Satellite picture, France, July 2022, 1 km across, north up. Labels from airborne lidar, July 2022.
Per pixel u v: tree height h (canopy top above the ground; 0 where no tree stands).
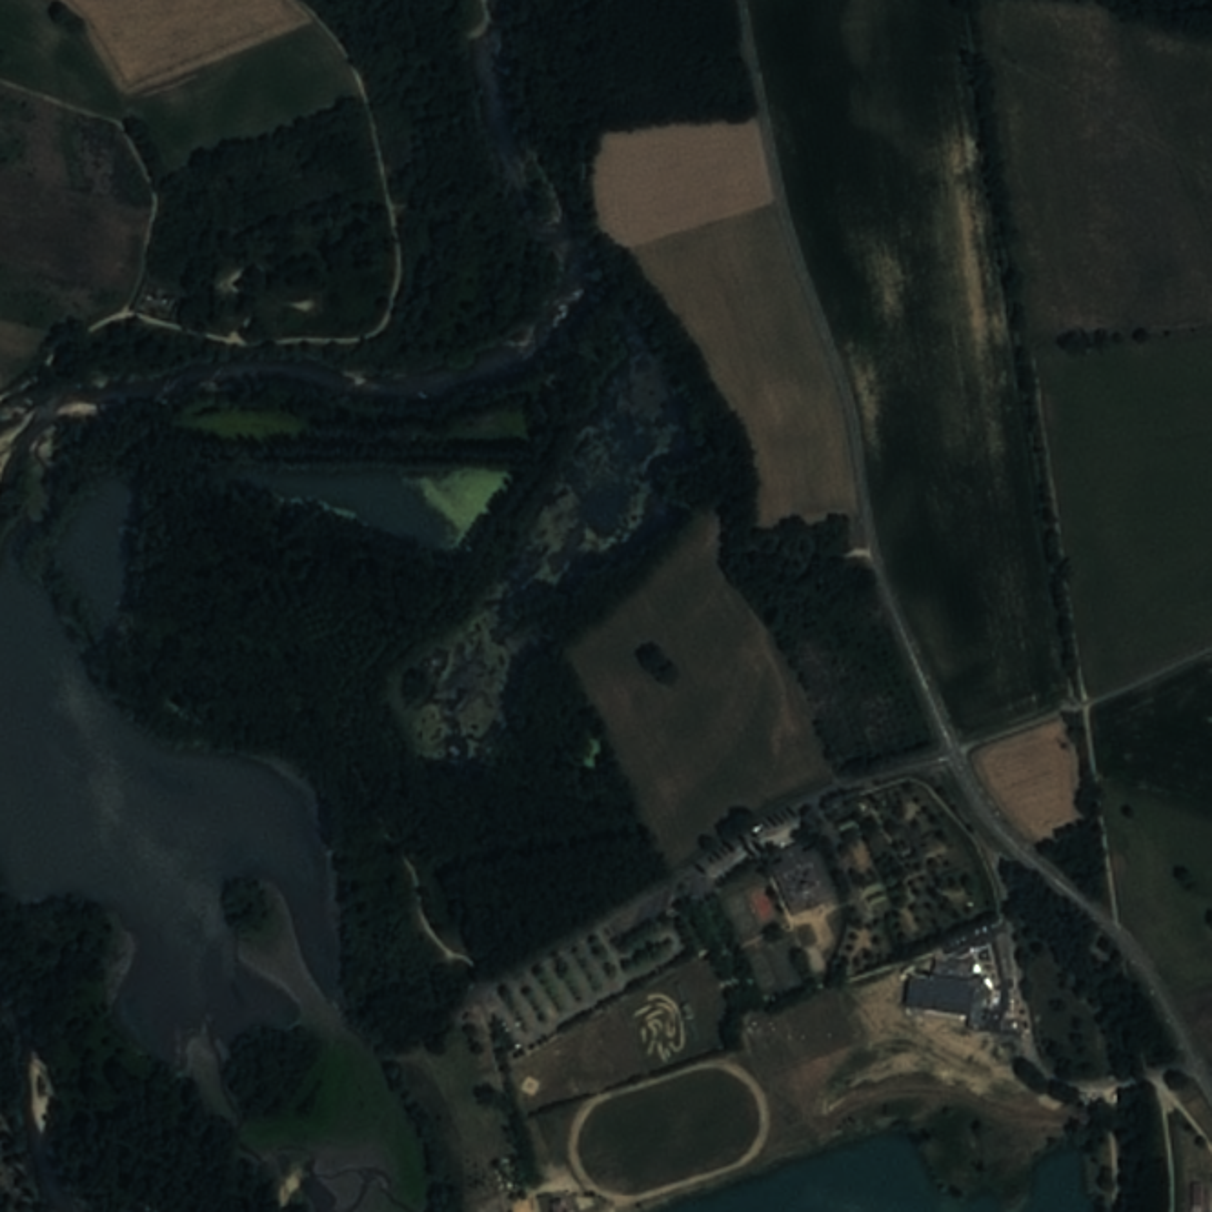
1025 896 22
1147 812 0
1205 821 0
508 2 10
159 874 0
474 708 0
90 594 0
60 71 0
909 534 0
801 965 14
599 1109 0
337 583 35
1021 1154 0
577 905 24
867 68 0
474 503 0
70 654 0
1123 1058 13
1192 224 0
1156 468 0
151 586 34
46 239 0
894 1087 0
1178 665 0
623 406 0
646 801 0
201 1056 0
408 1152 0
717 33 22
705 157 0
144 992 0
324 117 10
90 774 0
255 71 0
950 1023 0
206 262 8
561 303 0
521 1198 8
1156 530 0
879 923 7
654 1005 0
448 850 29
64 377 16
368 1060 0
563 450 25
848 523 6
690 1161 0
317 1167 0
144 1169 26
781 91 0
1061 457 0
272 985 0
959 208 0
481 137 16
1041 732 0
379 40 20
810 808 10
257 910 15
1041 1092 12
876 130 0
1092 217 0
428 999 14
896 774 0
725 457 22
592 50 21
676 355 20
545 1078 0
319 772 30
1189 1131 14
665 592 0
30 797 0
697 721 0
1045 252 0
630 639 0
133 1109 23
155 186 12
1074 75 0
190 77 0
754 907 0
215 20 0
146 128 12
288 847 0
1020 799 0
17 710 0
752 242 0
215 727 30
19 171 0
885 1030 0
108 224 0
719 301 0
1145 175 0
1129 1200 11
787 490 0
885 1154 0
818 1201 0
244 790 0
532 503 27
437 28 16
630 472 0
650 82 17
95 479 21
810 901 0
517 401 26
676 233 0
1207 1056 0
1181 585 0
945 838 13
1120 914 0
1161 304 0
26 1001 16
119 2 0
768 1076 0
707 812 0
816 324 0
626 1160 0
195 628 36
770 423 0
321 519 33
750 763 0
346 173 8
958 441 0
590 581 30
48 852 0
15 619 0
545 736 29
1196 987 0
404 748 23
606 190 0
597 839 21
